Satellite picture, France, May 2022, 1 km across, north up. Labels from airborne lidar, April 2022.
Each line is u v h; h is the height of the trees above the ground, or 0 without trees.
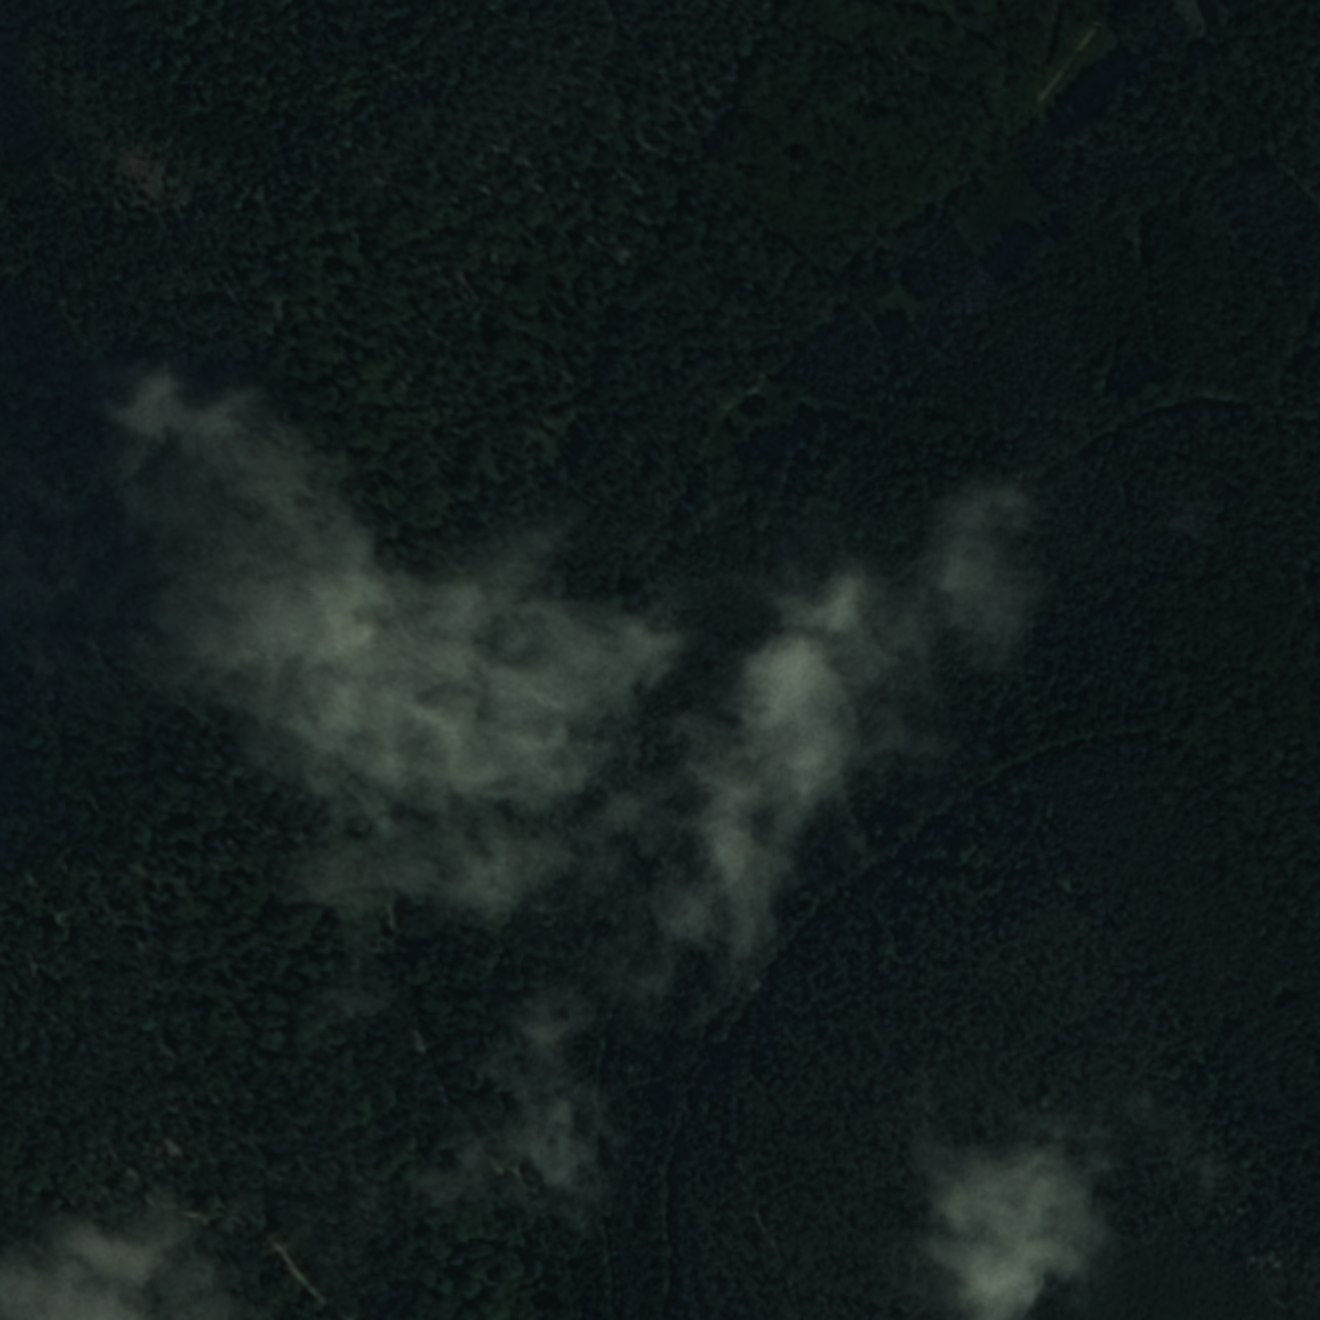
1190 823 22
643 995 11
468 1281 31
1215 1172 29
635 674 15
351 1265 30
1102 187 30
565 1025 19
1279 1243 14
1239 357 24
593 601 27
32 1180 34
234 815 38
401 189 29
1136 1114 7
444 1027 24
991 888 23
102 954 33
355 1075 31
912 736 11
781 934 29
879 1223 26
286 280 31
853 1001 27
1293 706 20
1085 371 11
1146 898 17
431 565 35
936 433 20
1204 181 16
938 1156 26
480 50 20
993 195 0
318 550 32
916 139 26
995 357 23
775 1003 25
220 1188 6
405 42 30
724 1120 24
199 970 34
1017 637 22
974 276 33
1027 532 25
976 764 31
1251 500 20
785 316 27
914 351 24
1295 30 19
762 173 28
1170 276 22
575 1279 21
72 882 28
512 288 35
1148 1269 15
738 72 28
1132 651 25
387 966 30
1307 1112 20
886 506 21
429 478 36
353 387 35
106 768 28
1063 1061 23
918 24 35
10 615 15
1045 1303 16
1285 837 20
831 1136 23
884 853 24
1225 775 19
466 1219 34
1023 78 11
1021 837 26
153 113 9
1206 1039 17
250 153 12
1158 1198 8
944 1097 22
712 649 12
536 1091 18
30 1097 27
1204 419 19
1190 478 25
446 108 29
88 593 13
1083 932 23
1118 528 22
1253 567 21
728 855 11
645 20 32
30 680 26
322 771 27
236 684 38
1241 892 24
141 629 26
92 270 26
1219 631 22
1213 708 20
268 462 29
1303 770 17
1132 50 28
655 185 28
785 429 0
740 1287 23
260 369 30
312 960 33
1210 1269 19
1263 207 30
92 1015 34
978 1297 17
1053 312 24
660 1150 23
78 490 21
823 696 12
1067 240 25
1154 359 8
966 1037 25
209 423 26
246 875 37
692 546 15
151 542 12
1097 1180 21
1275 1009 22
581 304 32
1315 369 33
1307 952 22
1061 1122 18
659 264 34
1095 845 18
